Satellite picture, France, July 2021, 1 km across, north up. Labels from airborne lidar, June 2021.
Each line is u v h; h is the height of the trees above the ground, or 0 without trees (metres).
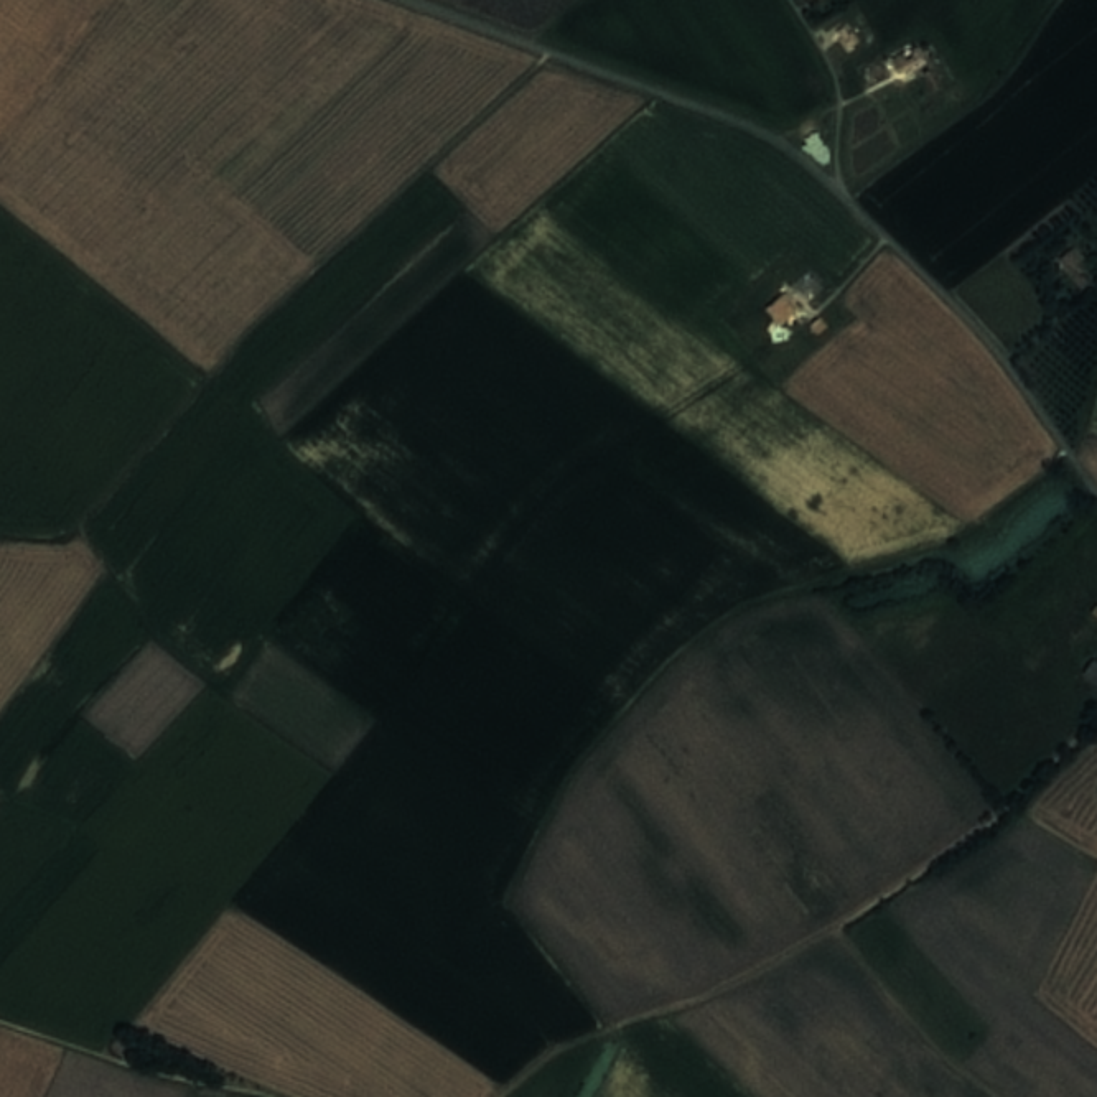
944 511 0
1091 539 0
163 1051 11
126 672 0
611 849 0
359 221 0
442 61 0
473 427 0
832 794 0
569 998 0
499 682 0
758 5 0
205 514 0
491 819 0
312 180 0
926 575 7
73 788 0
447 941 0
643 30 0
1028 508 0
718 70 0
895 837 0
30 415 0
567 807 0
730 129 0
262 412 0
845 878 0
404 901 0
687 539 0
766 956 0
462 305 0
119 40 0
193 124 0
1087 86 0
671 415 0
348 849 0
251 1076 0
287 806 0
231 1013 0
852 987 0
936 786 0
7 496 0
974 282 0
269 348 0
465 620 0
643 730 0
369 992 0
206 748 0
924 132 0
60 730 0
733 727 0
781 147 0
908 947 0
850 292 0
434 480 0
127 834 0
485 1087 0
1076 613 0
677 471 0
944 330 0
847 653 0
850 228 0
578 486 0
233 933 0
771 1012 0
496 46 0
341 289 0
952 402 0
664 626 0
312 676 0
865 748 0
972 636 0
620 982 0
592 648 0
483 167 0
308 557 0
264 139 0
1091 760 0
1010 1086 0
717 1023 0
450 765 0
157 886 0
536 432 0
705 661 0
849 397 0
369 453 0
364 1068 0
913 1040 0
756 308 0
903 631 0
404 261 0
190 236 0
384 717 0
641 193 0
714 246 0
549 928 0
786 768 0
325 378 0
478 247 0
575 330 0
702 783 0
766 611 0
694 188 0
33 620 0
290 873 0
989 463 0
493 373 0
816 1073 0
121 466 0
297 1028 0
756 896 0
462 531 0
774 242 0
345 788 0
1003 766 0
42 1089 0
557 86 0
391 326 0
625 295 0
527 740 0
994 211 0
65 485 0
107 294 0
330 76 0
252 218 0
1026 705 0
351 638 0
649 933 0
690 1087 0
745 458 0
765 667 0
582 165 0
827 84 0
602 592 0
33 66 0
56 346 0
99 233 0
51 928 0
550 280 0
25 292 0
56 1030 0
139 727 0
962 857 11
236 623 0
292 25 0
